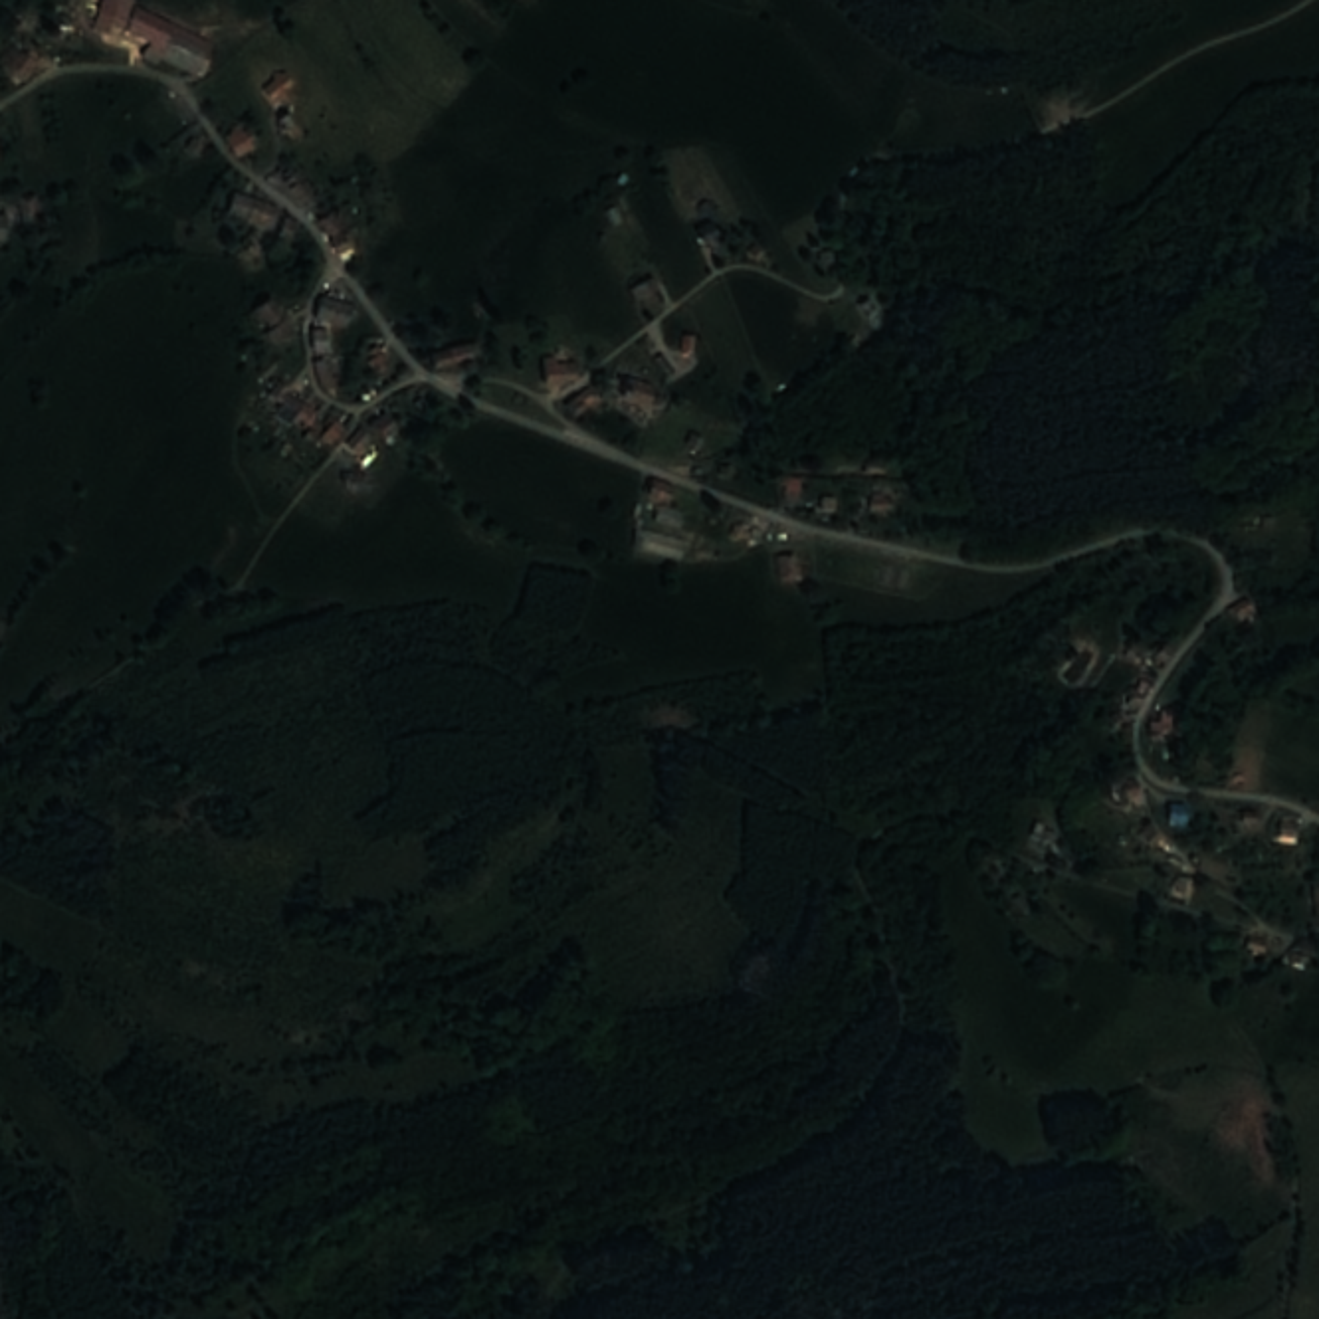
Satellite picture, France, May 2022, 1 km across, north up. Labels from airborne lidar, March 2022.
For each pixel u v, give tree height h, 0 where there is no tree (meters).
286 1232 18
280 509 0
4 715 0
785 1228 35
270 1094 0
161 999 0
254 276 0
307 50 0
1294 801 0
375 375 8
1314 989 0
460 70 0
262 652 10
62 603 0
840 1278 30
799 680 0
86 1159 0
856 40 0
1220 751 20
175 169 6
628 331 0
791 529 0
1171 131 0
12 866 11
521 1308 34
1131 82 0
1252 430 27
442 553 0
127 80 0
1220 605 0
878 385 13
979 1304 20
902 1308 29
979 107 0
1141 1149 0
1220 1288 7
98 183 0
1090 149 15
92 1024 0
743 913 9
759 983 25
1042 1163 0
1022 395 19
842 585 0
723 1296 30
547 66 0
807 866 11
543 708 8
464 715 8
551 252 0
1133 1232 32
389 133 0
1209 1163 0
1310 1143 0
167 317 0
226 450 0
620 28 0
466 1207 9
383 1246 0
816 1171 33
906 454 18
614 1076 11
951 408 30
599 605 0
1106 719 8
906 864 8
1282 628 0
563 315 0
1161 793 0
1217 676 20
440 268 0
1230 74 0
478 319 0
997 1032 0
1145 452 22
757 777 17
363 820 10
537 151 0
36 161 0
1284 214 8
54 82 0
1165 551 22
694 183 0
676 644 0
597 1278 35
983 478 21
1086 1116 30
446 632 7
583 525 0
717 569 0
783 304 0
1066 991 0
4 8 20
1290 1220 8
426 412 14
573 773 10
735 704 6
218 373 0
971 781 16
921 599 0
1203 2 0
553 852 6
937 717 16
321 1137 15
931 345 24
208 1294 12
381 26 0
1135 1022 0
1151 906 22
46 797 0
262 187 0
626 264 0
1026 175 16
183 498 0
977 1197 32
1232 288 28
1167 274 11
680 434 0
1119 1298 26
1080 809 20
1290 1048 0
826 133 0
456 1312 14
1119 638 0
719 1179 15
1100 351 23
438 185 0
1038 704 19
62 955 0
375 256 0
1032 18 0
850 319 0
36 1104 0
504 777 10
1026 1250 31
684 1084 7
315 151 0
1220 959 18
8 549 0
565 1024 23
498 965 9
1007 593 0
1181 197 14
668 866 0
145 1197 0
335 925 24
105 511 0
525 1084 13
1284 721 0
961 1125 28
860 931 20
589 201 8
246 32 0
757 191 0
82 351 0
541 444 0
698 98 0
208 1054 6
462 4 0
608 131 0
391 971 13
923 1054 33
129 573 0
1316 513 7
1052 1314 26
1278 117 7
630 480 0
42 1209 23
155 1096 11
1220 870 0
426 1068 0
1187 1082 0
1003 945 0
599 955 0
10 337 0
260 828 14
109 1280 9
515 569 0
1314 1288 0
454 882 23
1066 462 21
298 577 0
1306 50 0
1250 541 0
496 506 0
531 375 0
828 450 9
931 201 16
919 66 11
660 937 0
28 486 0
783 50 0
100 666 0
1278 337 25
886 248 16
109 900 11
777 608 0
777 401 8
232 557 0
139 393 0
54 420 0
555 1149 7
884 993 21
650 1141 15
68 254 0
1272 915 12
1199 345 24
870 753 11
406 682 10
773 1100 17
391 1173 16
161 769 8
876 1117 29
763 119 0
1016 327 25
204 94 0
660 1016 9
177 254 7
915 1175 31
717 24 0
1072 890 0
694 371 0
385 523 0
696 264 0
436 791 11
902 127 0
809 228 0
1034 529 15
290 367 0
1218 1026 0
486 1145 18
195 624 0
